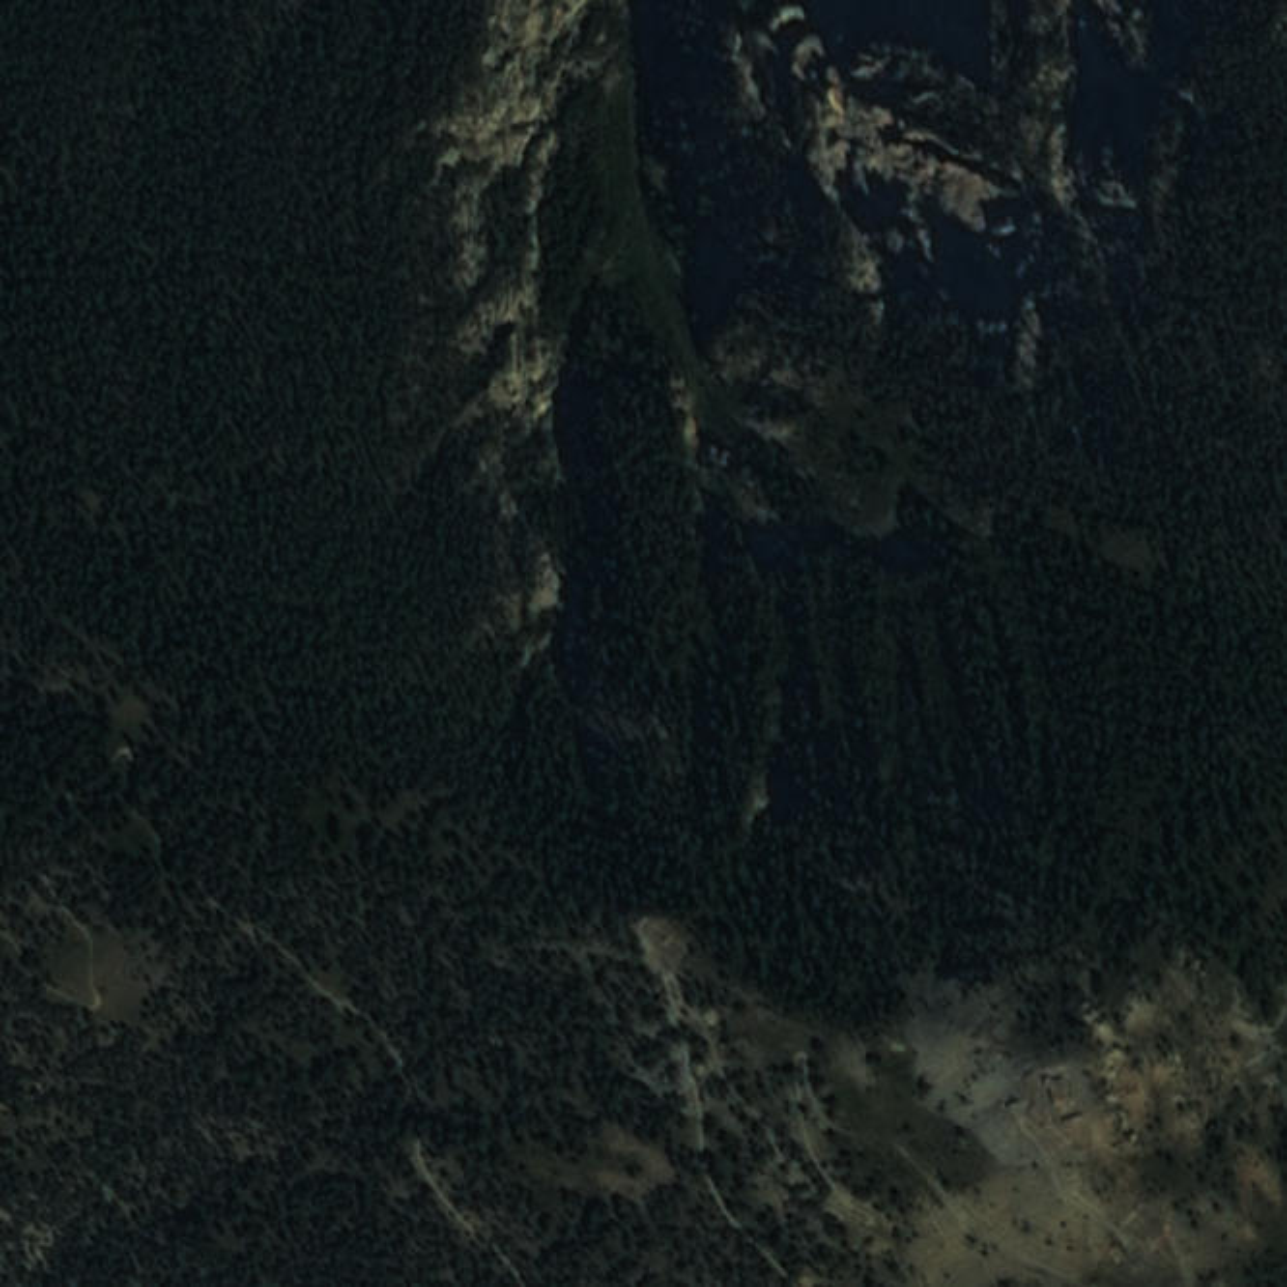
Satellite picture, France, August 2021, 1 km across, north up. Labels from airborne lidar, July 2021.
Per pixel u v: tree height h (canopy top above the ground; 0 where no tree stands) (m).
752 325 12
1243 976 11
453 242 12
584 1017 13
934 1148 0
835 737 13
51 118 16
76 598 21
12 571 17
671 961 0
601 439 8
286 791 21
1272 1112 5
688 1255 11
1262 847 17
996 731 14
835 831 12
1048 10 6
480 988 17
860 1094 0
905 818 12
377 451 14
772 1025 0
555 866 18
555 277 10
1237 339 9
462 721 14
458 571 13
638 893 6
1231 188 11
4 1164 11
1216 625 14
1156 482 7
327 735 24
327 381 19
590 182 14
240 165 15
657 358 13
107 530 15
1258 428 16
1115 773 16
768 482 10
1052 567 16
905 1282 0
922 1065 0
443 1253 12
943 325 10
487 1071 16
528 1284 7
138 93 19
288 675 19
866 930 11
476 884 19
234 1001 13
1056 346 6
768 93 12
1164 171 10
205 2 16
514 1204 13
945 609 10
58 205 15
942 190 0
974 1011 0
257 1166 12
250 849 16
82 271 15
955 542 19
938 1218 0
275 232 17
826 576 6
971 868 6
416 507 15
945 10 0
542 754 15
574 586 6
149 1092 14
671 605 17
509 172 15
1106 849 19
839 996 12
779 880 19
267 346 17
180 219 15
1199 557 12
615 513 12
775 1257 15
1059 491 9
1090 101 7
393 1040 6
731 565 9
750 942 18
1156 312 12
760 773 7
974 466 7
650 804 14
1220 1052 0
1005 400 7
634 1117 13
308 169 13
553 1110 11
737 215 7
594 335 13
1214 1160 7
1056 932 7
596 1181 0
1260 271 15
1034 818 7
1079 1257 0
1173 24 10
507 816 20
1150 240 8
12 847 16
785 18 0
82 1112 9
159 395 19
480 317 6
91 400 18
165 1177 7
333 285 18
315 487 16
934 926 12
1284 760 15
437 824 19
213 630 20
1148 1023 0
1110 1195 0
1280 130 11
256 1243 14
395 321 15
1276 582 14
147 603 19
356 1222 10
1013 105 9
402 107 11
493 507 9
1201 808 14
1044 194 7
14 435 22
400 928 15
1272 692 21
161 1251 7
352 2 21
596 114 7
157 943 8
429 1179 0
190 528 16
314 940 12
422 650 17
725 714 13
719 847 11
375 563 19
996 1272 0
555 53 9
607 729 9
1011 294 0
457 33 10
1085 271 8
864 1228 0
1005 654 9
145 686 10
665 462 17
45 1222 10
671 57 20
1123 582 10
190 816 20
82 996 0
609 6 9
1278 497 12
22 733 18
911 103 7
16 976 14
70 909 8
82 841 16
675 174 16
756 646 10
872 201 0
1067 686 9
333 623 19
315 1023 13
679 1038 10
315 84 12
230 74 14
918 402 12
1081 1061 0
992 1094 0
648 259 0
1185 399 12
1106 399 7
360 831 0
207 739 18
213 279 17
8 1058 16
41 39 15
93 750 16
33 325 23
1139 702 8
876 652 6
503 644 17
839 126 0
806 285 8
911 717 6
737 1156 6
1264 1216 0
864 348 13
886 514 0
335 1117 14
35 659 11
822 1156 0
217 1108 13
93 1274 15
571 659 16
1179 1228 0
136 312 20
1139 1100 0
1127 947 14
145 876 15
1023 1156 0
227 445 19
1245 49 8
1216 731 17
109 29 17
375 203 14
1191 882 19
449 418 14
